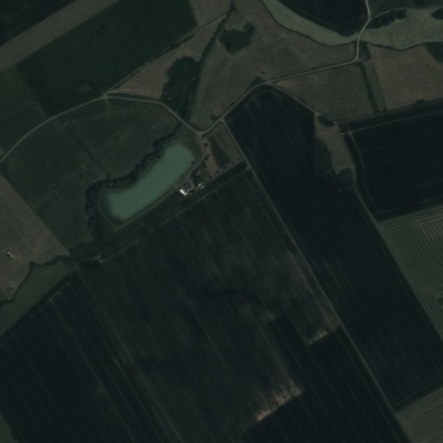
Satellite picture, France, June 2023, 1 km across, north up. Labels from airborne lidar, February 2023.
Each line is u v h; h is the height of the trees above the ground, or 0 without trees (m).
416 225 0
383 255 0
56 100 0
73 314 0
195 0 0
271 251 0
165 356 0
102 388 0
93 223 16
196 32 0
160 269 0
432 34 0
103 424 0
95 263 0
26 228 0
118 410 0
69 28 0
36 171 0
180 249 0
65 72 0
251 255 0
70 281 0
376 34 0
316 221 0
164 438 0
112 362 0
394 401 0
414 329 0
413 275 0
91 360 0
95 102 0
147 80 0
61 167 0
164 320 0
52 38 0
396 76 0
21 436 0
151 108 0
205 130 0
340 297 0
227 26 0
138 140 0
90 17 0
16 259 0
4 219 0
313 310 0
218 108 0
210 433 0
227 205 0
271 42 0
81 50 0
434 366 0
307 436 0
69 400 0
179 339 0
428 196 0
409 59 0
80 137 0
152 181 0
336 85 0
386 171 0
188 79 0
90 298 0
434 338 0
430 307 0
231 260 0
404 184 0
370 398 0
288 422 0
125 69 0
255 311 0
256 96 0
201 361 0
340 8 0
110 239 0
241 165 0
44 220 0
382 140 0
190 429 0
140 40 0
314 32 0
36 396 0
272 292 0
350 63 0
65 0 0
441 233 0
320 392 0
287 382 0
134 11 0
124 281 0
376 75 0
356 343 0
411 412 0
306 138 0
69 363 0
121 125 0
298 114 0
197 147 0
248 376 0
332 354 0
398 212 0
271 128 0
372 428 0
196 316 0
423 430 0
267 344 0
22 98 0
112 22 0
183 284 0
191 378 0
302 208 0
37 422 0
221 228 0
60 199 0
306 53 0
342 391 0
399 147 0
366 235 0
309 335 0
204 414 0
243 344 0
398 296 0
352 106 0
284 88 0
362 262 0
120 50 0
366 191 0
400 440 0
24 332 0
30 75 0
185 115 7
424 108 0
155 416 0
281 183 0
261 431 0
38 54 0
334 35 0
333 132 0
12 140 0
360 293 0
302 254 0
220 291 0
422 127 0
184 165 0
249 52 0
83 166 0
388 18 11
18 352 0
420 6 0
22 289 0
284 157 0
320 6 0
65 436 0
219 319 0
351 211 0
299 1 0
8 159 0
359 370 0
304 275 0
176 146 0
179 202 0
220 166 0
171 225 0
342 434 0
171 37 0
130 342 0
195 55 0
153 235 0
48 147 0
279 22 0
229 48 23
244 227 0
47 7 0
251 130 0
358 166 0
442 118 0
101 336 0
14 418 0
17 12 0
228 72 0
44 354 0
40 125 0
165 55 0
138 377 0
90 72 0
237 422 0
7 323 0
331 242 0
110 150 0
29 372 0
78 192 0
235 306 0
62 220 0
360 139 0
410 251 0
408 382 0
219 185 0
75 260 0
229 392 0
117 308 0
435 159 0
